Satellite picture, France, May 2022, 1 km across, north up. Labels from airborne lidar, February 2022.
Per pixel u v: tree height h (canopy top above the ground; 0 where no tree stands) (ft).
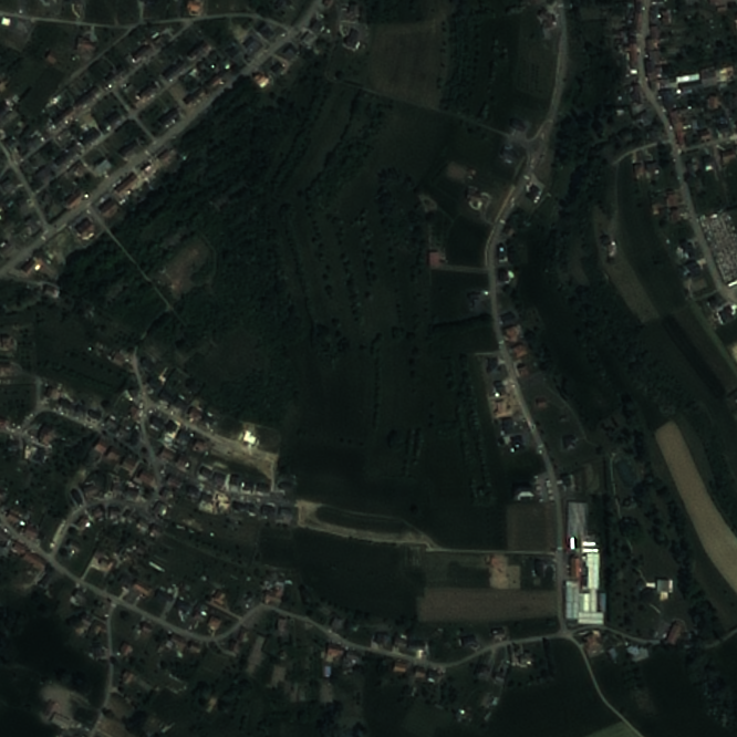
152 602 0
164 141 0
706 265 0
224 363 0
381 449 0
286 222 24
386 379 0
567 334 0
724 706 29
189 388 41
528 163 0
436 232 0
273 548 0
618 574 22
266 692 0
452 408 0
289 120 58
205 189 36
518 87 0
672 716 0
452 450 0
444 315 0
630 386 0
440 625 0
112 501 0
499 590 0
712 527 0
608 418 0
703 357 0
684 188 0
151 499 0
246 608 0
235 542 0
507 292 23
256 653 0
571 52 0
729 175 0
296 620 0
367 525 0
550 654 30
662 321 0
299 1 0
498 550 0
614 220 0
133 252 35
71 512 0
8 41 0
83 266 25
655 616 0
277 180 20
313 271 0
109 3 0
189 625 0
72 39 0
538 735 0
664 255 0
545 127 0
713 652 0
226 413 18
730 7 24
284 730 0
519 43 0
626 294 0
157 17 0
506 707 0
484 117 23
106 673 0
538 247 0
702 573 0
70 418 0
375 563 0
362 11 36
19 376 0
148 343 0
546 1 0
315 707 25
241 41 0
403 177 39
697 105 31
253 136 46
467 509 0
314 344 29
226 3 0
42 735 0
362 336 0
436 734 0
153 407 0
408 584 0
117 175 0
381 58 0
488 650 0
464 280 0
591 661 0
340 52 0
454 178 0
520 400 0
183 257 0
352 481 0
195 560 0
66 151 0
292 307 26
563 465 0
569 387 26
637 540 71
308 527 0
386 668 22
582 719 0
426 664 0
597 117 37
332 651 0
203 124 19
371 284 19
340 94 0
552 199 0
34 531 0
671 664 0
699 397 0
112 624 0
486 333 0
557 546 0
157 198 42
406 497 0
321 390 0
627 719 0
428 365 0
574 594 0
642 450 93
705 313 0
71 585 0
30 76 0
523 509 0
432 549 0
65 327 0
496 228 0
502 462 0
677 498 0
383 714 0
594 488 0
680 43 0
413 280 20
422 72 0
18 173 0
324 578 0
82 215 0
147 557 19
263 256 26
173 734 0
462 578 0
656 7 0
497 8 0
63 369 23
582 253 0
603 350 0
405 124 0
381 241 0
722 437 0
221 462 0
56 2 0
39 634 0
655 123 22
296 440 0
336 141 0
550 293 0
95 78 0
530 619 0
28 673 0
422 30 0
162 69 0
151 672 0
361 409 0
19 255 0
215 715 0
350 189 0
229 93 38
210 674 0
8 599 0
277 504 0
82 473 0
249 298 23
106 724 0
